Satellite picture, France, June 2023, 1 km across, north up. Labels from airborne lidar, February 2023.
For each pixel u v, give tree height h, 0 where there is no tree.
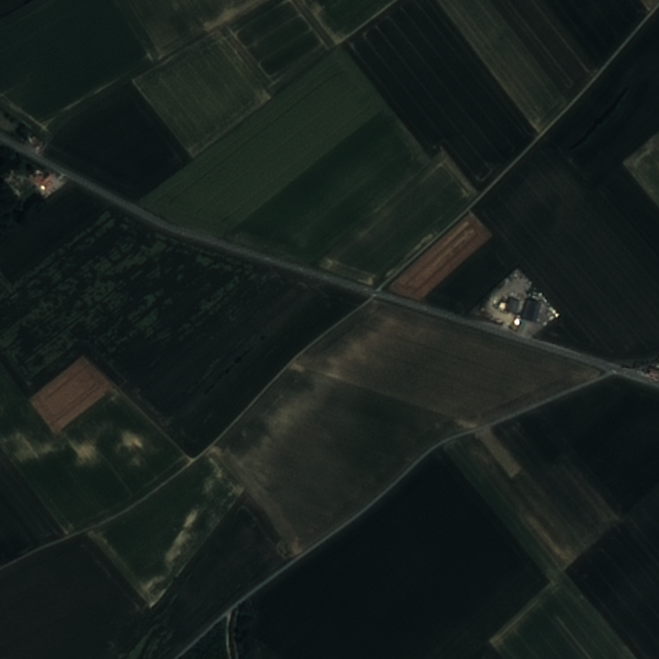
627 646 0
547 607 0
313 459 0
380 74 0
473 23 0
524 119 0
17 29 0
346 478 0
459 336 0
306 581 0
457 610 0
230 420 0
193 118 0
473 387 0
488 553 0
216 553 0
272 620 0
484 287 0
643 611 0
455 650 0
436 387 0
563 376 0
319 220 0
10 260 0
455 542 0
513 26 0
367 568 0
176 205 0
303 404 0
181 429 0
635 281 0
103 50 0
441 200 0
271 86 0
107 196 0
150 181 0
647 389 0
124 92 0
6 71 0
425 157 0
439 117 0
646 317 0
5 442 0
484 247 0
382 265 0
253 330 0
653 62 0
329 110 0
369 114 0
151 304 0
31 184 0
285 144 0
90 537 0
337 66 0
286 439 0
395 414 0
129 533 0
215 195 0
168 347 0
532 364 0
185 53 0
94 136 0
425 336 0
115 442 0
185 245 0
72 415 0
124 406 0
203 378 0
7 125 0
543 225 0
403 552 0
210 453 0
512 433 0
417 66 0
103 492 0
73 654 0
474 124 0
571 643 0
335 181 0
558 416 0
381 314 0
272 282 0
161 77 0
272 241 0
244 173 0
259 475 0
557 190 0
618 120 0
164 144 0
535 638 0
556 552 0
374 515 0
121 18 0
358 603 0
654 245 0
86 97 0
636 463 0
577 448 0
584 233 0
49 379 0
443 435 0
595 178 0
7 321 0
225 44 0
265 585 0
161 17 0
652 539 0
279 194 0
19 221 20
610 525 0
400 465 0
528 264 0
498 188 0
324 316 0
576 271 0
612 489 0
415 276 0
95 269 0
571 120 0
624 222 0
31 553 0
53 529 0
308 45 0
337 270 0
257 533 0
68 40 0
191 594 0
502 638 0
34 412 0
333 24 0
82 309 0
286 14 0
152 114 0
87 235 0
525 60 0
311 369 0
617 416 0
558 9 0
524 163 0
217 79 0
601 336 0
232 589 0
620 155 0
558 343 0
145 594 0
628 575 0
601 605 0
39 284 0
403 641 0
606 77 0
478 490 0
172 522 0
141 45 0
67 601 0
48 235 0
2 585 0
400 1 0
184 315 0
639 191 0
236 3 0
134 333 0
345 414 0
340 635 0
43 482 0
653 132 0
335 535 0
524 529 0
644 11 0
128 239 0
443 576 0
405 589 0
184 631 0
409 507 0
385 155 0
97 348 0
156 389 0
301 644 0
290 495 0
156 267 0
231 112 0
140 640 0
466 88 0
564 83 0
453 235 0
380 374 0
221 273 0
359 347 0
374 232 0
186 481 0
